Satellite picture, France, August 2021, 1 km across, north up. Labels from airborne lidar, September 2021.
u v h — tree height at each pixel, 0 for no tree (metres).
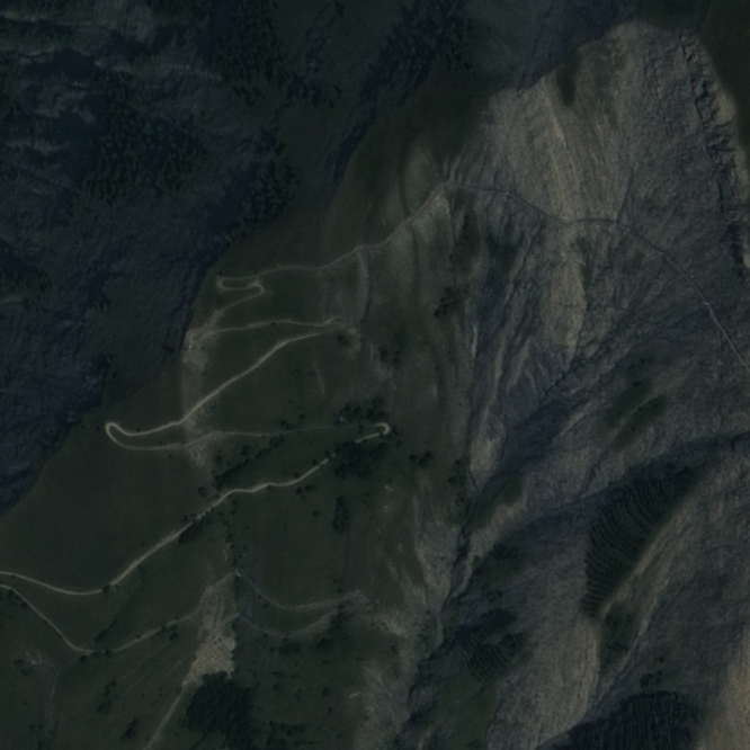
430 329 0
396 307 0
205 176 0
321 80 0
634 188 0
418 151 0
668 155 0
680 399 0
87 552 0
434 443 0
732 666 0
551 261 0
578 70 0
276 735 7
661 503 7
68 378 0
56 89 0
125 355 0
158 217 0
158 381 0
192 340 0
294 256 0
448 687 0
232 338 0
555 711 0
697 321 0
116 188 15
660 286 0
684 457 0
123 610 0
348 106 0
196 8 12
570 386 0
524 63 0
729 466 0
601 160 0
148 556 0
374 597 0
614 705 0
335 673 0
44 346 0
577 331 0
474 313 0
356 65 0
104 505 0
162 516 0
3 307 0
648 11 0
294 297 0
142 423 0
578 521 0
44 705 0
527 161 0
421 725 8
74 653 0
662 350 0
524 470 0
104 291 0
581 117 0
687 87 0
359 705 0
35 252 0
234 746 13
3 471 0
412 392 0
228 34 10
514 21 0
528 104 0
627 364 0
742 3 0
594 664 0
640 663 0
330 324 0
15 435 0
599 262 0
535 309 0
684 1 0
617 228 0
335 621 8
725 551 0
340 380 0
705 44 0
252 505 0
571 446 0
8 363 0
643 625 0
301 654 10
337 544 0
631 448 0
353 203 0
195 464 0
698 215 0
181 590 0
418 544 0
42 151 0
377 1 0
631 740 10
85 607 0
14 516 0
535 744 0
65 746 0
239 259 0
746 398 0
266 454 9
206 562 0
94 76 14
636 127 0
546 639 0
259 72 7
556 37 0
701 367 0
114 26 0
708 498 0
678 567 0
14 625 0
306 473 0
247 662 0
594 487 0
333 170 0
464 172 0
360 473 8
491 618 7
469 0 0
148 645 0
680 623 0
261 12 15
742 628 0
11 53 0
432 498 0
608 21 0
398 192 0
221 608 0
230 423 0
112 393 0
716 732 0
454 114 0
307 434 0
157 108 0
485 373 0
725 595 0
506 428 0
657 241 0
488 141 0
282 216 9
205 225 0
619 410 0
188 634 0
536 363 0
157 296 0
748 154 0
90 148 8
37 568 0
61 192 0
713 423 0
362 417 12
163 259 0
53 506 0
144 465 0
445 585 0
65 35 13
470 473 0
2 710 0
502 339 0
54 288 9
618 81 0
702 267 0
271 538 0
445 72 0
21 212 0
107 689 7
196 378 0
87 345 0
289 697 0
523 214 0
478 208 0
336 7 0
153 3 16
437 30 8
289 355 0
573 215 0
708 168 0
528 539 0
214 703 17
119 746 0
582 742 12
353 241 0
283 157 14
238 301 0
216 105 0
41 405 0
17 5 17
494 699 0
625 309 0
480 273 0
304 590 0
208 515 8
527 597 0
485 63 0
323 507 0
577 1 0
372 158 0
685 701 6
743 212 0
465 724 0
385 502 0
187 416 0
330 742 0
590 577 7
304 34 0
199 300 0
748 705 0
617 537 6
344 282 0
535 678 0
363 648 0
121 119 15
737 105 0
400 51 0
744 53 0
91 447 0
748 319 0
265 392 0
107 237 0
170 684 0
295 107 0
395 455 0
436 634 0
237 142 0
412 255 0
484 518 0
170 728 0
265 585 0
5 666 0
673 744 6
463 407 0
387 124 0
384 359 8
